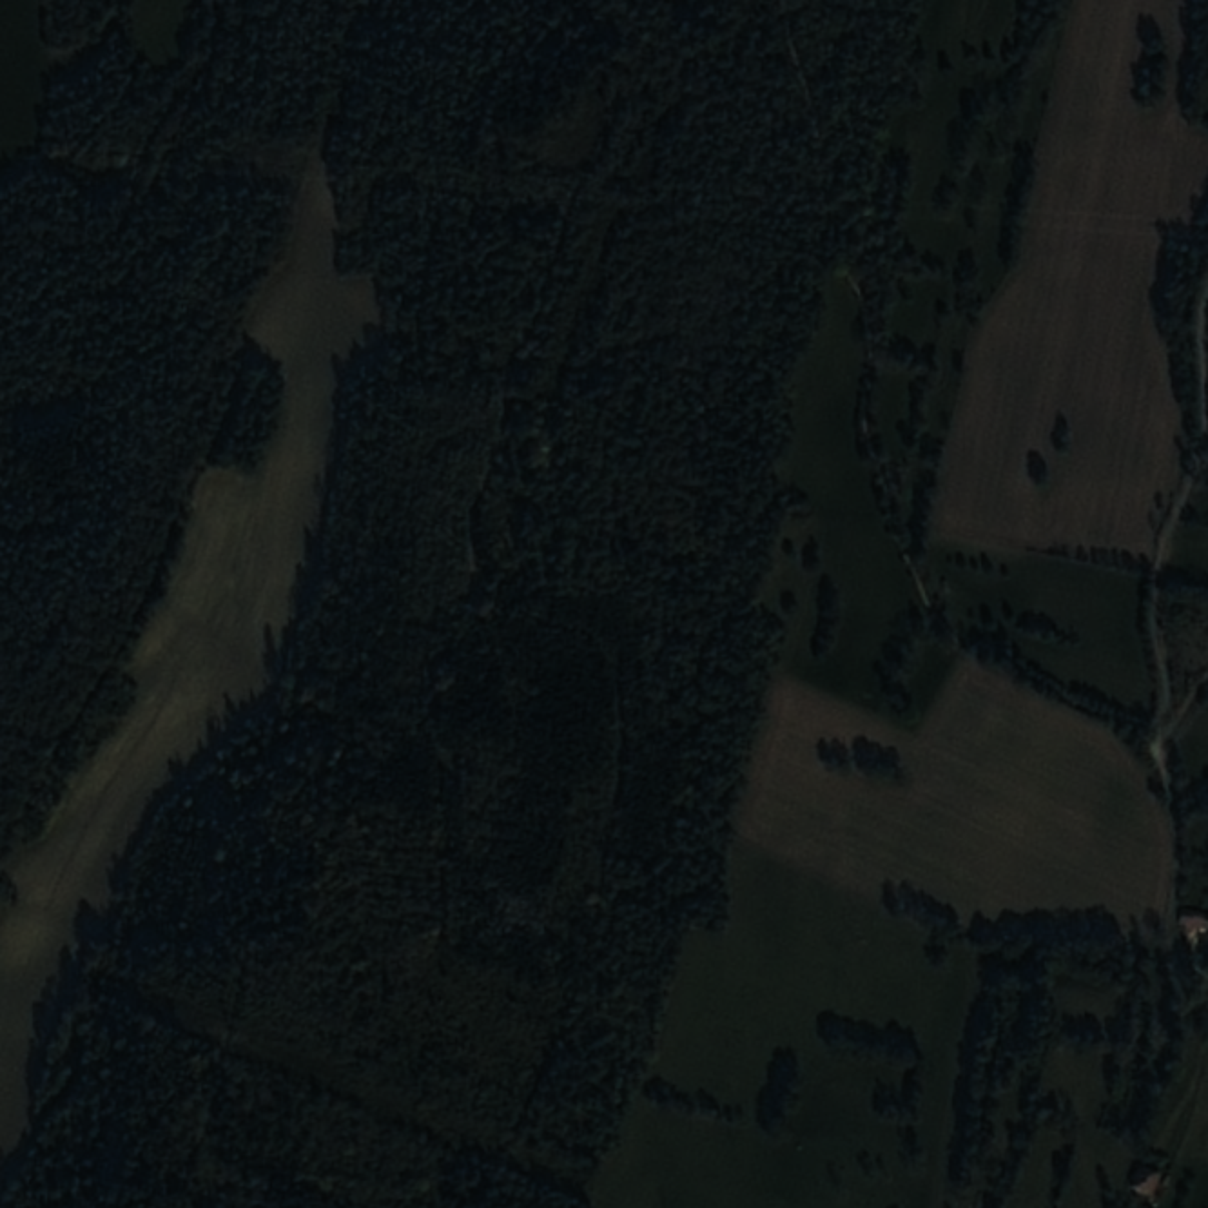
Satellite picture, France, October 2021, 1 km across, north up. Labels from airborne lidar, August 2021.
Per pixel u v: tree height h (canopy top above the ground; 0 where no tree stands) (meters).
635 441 21
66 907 0
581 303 7
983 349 0
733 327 18
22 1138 0
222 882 8
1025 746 0
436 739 13
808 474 0
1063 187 0
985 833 0
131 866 7
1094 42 0
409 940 11
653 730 13
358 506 10
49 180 18
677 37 18
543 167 7
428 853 9
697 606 17
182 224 13
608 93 12
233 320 13
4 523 13
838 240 20
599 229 8
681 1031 0
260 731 12
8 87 0
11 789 17
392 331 12
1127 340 0
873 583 0
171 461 9
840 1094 0
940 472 21
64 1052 14
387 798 14
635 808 16
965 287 16
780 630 12
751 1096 0
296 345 0
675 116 7
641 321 15
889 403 0
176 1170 10
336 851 8
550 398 9
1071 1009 0
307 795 9
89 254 18
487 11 17
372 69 16
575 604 14
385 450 9
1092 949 21
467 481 9
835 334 0
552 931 7
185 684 0
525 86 14
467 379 7
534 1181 6
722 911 19
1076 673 0
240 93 10
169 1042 7
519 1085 7
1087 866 0
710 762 14
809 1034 0
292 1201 18
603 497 18
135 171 8
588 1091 17
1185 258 12
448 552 10
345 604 12
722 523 23
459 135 19
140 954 9
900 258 20
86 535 10
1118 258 0
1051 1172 0
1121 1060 12
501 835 20
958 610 0
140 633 10
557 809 17
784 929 0
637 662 8
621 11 17
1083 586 0
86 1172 7
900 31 21
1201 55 15
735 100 15
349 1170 14
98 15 12
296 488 0
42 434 25
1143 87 15
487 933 14
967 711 0
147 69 8
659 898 24
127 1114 9
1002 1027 8
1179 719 0
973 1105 16
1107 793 0
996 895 0
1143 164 0
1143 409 0
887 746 0
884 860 0
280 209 18
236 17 10
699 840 20
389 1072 15
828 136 15
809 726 0
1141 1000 14
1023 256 16
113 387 12
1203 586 15
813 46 15
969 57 12
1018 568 0
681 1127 0
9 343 15
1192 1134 0
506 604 10
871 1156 0
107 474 16
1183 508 0
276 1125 8
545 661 13
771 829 0
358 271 7
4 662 12
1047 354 0
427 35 16
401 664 11
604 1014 16
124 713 11
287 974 10
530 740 15
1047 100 7
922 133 0
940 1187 0
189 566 0
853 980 0
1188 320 15
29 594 16
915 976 0
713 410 20
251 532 0
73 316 16
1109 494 0
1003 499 0
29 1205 11
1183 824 15
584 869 10
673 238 16
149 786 0
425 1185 18
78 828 0
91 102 14
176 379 16
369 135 18
